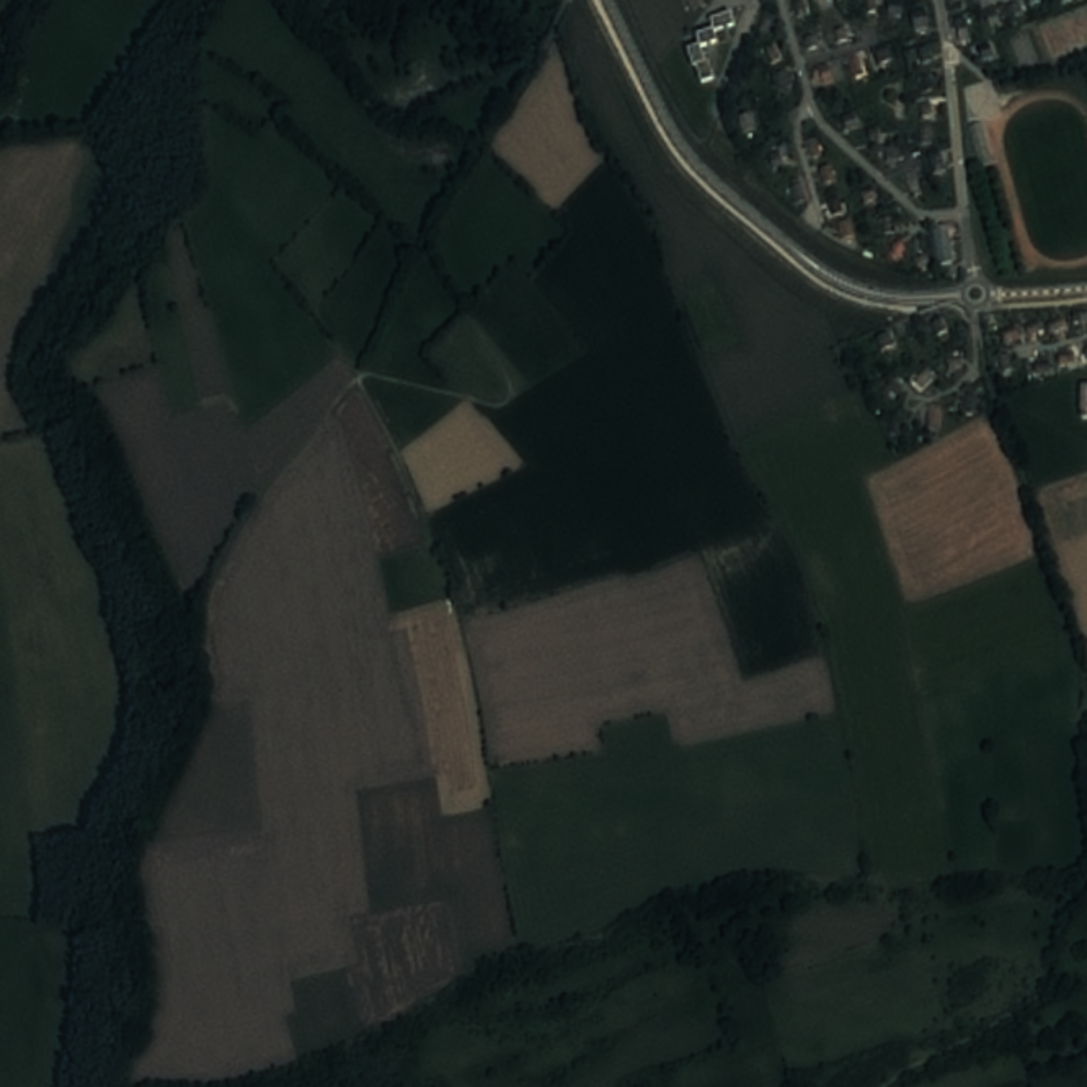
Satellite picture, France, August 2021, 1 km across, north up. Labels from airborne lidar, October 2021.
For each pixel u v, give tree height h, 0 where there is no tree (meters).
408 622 0
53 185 0
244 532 0
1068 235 0
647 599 0
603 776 0
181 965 0
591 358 0
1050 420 0
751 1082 0
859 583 0
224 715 0
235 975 0
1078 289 0
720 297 0
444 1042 0
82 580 0
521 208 0
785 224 0
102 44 0
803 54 0
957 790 0
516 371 0
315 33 20
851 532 0
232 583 0
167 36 12
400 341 0
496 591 0
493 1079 9
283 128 13
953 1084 0
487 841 0
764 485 0
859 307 0
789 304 0
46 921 18
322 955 0
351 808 0
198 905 0
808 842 0
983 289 0
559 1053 0
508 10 18
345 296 0
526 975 11
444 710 0
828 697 0
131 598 27
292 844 0
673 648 0
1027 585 0
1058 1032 12
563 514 0
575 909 0
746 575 0
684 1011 0
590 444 0
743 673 0
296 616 0
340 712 0
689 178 0
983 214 13
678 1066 7
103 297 14
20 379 17
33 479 0
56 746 0
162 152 15
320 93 0
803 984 0
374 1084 7
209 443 0
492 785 0
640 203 12
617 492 0
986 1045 11
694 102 0
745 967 14
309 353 0
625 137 0
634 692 0
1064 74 8
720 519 0
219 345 0
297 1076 12
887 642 0
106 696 0
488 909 0
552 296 0
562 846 0
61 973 0
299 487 0
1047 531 11
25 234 0
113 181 13
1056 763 0
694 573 0
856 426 0
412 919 0
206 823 0
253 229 0
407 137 14
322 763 0
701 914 11
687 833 0
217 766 0
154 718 26
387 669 0
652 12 0
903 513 0
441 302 0
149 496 0
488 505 0
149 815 21
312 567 0
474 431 0
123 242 9
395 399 0
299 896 0
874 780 0
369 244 9
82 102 0
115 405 0
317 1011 0
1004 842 0
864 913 0
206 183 12
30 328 16
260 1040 0
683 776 0
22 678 0
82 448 22
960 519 0
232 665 0
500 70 14
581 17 0
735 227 0
